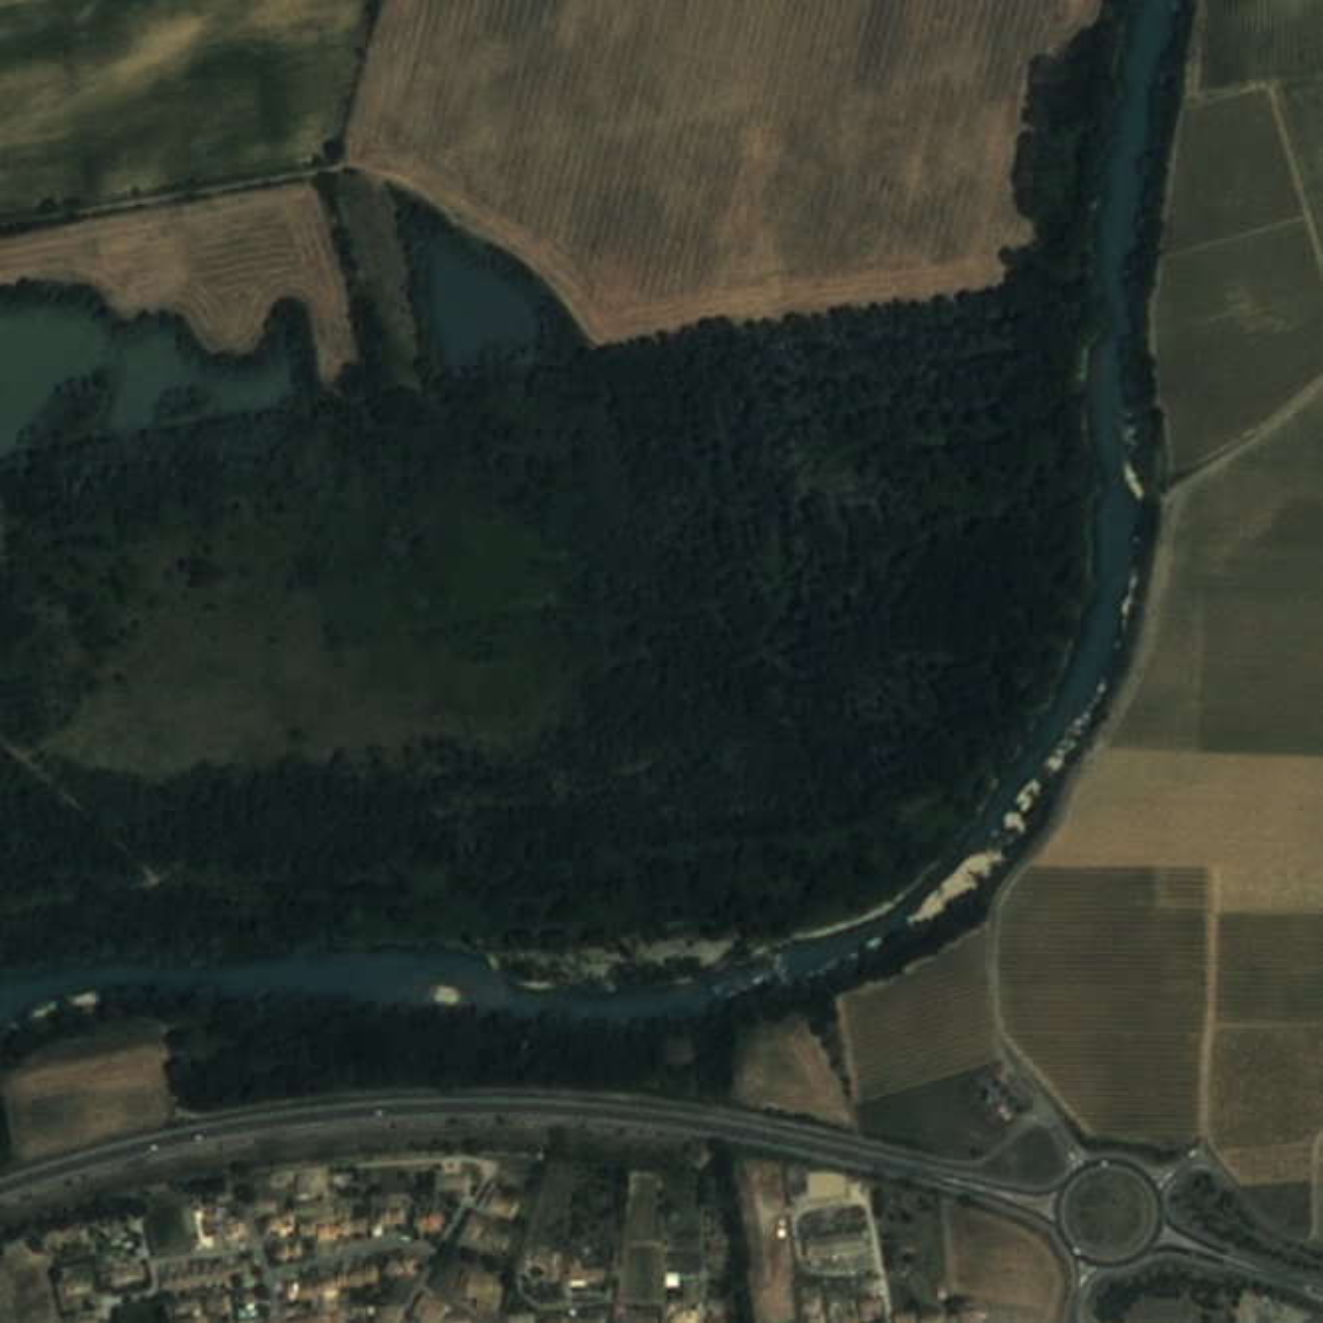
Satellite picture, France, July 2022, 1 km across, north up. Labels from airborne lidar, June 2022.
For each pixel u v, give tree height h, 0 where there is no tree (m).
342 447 8
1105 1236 0
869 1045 0
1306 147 0
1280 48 0
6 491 11
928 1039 0
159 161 0
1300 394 0
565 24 0
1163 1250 0
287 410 13
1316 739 0
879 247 0
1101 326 14
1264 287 0
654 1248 0
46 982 0
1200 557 0
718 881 19
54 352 0
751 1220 0
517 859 23
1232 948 0
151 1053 0
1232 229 0
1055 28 0
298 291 0
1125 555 0
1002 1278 0
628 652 15
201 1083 8
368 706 0
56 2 0
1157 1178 0
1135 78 0
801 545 21
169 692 0
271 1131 0
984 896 7
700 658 20
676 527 7
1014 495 13
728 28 0
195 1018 26
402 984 0
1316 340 0
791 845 6
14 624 9
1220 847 0
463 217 0
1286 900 0
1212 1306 8
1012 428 28
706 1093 9
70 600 7
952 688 26
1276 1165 0
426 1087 10
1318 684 0
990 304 24
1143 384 15
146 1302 10
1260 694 0
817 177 0
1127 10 9
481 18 0
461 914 5
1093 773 0
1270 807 0
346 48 0
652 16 0
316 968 0
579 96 0
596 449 16
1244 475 0
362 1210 6
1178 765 0
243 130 0
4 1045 26
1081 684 0
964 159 0
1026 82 0
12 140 0
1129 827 0
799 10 0
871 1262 0
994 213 0
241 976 0
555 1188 0
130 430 0
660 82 0
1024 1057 0
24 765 10
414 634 6
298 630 0
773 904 21
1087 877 0
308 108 0
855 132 0
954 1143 0
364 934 6
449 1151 11
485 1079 14
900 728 8
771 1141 0
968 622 24
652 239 0
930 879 0
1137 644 10
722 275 0
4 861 21
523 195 0
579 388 16
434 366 17
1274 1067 0
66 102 0
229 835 17
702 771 18
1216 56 0
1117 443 0
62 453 17
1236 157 0
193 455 23
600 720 16
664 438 24
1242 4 0
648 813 19
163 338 0
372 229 0
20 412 0
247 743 0
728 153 0
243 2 0
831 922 0
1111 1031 0
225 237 0
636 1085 6
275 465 17
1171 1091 0
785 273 0
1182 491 0
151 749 0
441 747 9
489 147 0
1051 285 22
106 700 0
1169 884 0
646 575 13
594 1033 17
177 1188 10
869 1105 0
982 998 0
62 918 11
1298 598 0
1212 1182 8
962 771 9
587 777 18
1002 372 9
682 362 29
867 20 0
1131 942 0
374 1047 11
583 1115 0
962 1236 0
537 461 11
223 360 13
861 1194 0
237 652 0
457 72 0
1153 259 19
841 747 23
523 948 24
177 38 0
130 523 16
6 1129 7
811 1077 0
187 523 9
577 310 0
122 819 13
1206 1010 0
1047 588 25
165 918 14
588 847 10
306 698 0
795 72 0
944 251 0
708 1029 15
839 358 11
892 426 26
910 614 27
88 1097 0
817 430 25
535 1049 12
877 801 21
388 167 0
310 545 7
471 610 0
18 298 14
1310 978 0
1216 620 0
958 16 0
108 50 0
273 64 0
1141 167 10
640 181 0
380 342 11
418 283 13
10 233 8
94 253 0
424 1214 7
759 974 0
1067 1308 0
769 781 14
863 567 26
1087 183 18
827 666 29
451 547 0
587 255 0
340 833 13
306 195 0
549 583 0
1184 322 0
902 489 14
